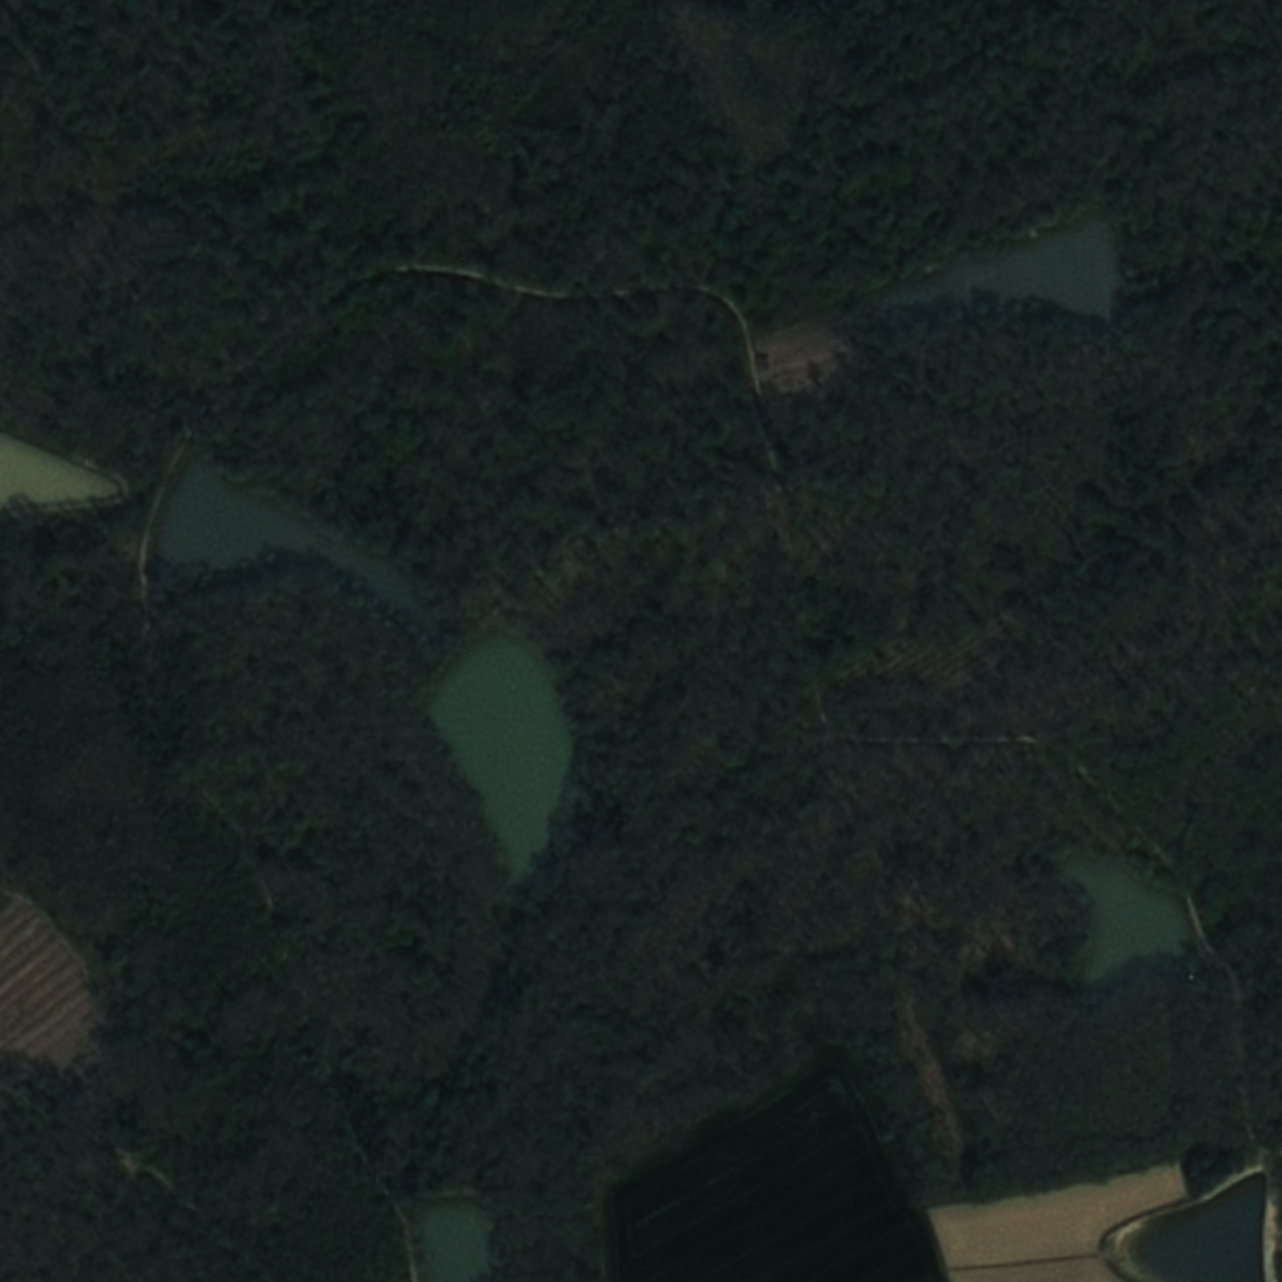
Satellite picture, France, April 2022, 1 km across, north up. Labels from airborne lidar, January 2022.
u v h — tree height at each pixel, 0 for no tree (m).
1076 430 30
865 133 26
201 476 0
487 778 0
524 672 0
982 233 25
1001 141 24
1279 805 24
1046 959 26
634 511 29
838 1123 0
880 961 18
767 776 31
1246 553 32
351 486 21
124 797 20
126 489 0
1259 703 31
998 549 24
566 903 26
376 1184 16
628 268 15
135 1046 34
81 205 10
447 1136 26
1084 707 27
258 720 22
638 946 26
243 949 20
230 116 30
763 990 19
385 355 11
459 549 30
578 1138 30
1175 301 24
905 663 23
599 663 27
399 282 14
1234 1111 29
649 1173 0
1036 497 30
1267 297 30
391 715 29
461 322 25
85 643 17
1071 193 25
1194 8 29
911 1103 26
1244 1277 0
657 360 23
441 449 26
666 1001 28
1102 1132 27
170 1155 18
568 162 11
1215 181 30
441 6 20
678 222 24
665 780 26
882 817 29
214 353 26
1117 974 0
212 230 31
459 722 0
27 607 26
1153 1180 0
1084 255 0
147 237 29
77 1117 26
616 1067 27
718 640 25
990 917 31
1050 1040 25
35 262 28
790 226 30
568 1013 31
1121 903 0
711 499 27
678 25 22
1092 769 21
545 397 31
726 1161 0
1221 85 30
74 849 21
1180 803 29
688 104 16
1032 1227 0
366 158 12
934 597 28
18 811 21
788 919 26
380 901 28
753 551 30
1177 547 30
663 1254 0
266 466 26
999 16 28
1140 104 30
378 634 29
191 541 0
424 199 13
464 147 11
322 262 28
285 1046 18
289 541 0
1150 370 30
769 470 30
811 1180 0
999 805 28
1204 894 12
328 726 30
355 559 0
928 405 28
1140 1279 0
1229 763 29
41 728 20
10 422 17
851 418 29
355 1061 25
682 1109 27
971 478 30
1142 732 27
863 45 11
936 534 32
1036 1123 25
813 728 25
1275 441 29
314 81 27
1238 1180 0
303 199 23
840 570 23
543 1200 29
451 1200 0
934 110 30
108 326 28
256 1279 19
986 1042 30
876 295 10
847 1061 0
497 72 17
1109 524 8
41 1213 31
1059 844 24
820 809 26
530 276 14
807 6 25
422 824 33
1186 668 31
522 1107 26
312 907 23
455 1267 0
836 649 27
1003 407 29
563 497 30
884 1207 0
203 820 18
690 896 30
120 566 14
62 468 0
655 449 29
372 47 26
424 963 33
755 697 29
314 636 30
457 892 31
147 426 22
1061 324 25
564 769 0
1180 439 30
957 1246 0
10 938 0
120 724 19
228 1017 24
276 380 9
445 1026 32
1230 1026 29
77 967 0
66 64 32
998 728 25
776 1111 0
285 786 28
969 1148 0
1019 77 26
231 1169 18
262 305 31
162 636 13
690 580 30
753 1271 0
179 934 20
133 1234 30
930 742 22
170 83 31
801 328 16
